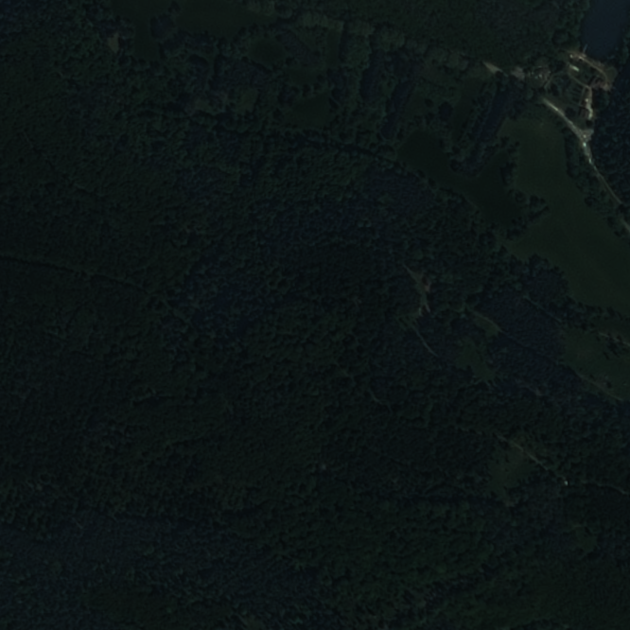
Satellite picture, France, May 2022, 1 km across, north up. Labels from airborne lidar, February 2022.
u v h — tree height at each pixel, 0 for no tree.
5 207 18
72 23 25
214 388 16
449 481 14
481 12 26
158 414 22
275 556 33
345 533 26
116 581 27
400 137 15
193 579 33
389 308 15
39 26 24
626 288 0
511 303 31
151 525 27
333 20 26
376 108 25
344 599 27
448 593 25
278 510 28
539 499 23
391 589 18
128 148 29
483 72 26
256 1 24
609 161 26
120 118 30
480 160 23
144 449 17
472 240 16
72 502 13
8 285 16
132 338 17
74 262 9
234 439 22
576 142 24
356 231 33
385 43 26
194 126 29
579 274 0
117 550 25
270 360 28
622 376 0
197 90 30
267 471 23
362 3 25
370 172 30
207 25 0
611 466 14
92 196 15
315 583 32
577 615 18
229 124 24
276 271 17
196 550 28
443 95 17
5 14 33
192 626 29
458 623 35
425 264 30
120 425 16
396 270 30
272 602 33
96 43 25
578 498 18
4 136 11
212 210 31
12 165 8
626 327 0
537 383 18
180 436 21
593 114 0
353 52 26
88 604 26
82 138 31
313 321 34
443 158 0
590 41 0
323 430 17
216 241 22
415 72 20
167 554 30
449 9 21
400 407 20
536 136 0
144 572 14
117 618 25
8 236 15
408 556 30
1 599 31
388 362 24
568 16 25
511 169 18
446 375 31
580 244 0
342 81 27
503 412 26
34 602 30
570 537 27
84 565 26
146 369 19
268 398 21
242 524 26
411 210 27
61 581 23
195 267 26
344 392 23
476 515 29
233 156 33
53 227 15
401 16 24
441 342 30
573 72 11
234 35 0
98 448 23
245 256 27
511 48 23
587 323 18
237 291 33
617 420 24
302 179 32
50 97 21
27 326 10
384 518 24
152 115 27
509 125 0
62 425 17
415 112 0
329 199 30
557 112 0
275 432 25
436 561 28
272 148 30
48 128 23
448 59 33
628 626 20
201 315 0
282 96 28
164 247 19
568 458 20
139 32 0
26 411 14
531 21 22
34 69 21
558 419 27
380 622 10
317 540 26
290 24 19
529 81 7
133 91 26
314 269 19
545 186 0
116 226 13
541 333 29
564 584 18
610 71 0
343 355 16
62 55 24
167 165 19
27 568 31
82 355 11
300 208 28
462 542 30
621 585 23
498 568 29
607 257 0
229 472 23
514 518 26
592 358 0
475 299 27
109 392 16
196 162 29
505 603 30
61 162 24
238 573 31
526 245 0
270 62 0
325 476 21
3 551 27
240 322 0
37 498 19
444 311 25
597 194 21
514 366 27
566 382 26
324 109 0
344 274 16
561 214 0
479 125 14
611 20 0
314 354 28
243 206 34
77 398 16
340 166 28
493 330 0
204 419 25
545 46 20
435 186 18
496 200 0
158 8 0
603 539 23
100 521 25
